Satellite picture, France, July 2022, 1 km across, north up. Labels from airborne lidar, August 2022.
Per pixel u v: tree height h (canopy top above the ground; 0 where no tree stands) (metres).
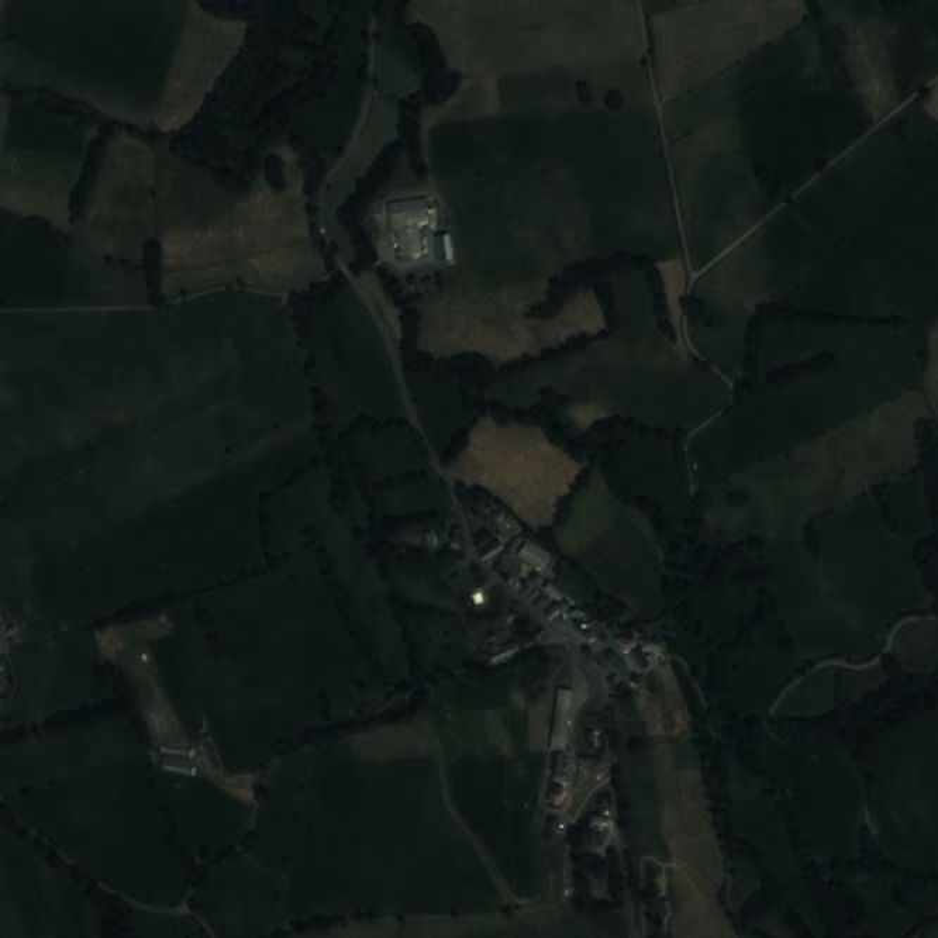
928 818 0
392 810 0
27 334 0
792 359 0
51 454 0
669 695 0
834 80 0
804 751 0
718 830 13
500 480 0
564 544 0
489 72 0
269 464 0
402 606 12
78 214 13
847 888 13
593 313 0
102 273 0
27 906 0
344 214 15
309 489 0
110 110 0
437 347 0
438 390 0
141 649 0
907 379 0
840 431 0
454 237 0
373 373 0
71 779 0
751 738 17
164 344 0
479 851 0
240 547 0
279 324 0
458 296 0
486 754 0
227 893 0
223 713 0
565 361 0
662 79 0
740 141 0
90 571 0
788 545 0
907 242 0
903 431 0
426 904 0
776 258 0
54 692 0
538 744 0
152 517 0
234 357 0
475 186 0
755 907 20
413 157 16
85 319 0
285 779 0
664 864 0
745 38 0
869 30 0
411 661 9
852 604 0
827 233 0
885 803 0
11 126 0
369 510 9
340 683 0
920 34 0
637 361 0
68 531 0
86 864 0
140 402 0
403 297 10
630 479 0
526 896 0
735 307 0
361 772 0
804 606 0
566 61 0
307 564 0
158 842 0
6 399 0
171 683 0
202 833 0
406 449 0
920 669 0
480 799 0
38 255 0
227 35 0
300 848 0
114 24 0
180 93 0
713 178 0
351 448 15
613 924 0
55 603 0
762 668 0
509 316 0
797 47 0
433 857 0
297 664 0
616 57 0
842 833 0
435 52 20
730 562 19
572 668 0
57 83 0
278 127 11
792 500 0
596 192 0
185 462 0
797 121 0
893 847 0
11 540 0
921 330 0
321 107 0
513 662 11
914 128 0
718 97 0
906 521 0
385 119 0
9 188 0
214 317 0
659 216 0
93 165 18
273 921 0
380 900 0
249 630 0
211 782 0
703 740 11
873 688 0
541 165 0
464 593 0
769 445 0
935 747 0
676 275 0
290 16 14
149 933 0
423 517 14
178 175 0
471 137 0
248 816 0
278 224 0
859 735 15
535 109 0
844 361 0
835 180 0
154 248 17
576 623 12
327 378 0
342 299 0
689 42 0
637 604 0
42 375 0
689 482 10
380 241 0
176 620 0
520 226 0
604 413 0
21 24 0
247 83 24
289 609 0
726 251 0
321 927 14
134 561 0
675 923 0
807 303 0
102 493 0
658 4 0
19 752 0
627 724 0
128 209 0
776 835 0
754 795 0
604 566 0
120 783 0
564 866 0
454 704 0
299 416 0
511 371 14
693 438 0
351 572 0
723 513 0
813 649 0
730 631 0
